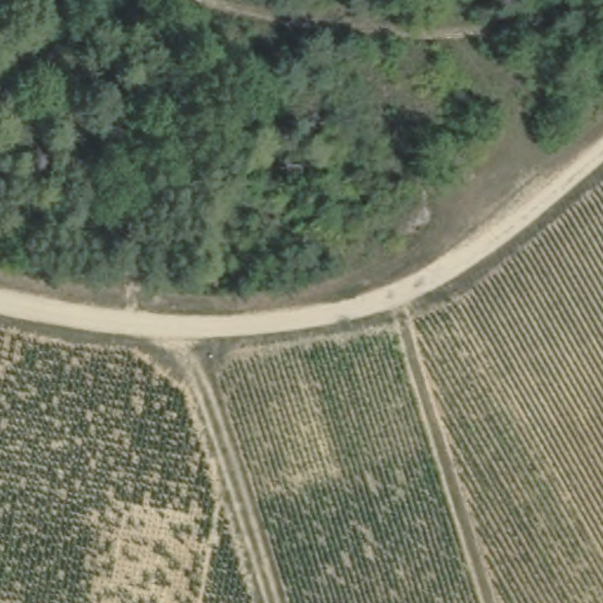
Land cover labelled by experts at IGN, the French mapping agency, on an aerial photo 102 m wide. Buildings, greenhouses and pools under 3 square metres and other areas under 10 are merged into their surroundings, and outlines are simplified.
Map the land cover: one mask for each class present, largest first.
<instances>
[{"label":"vineyard","instance_id":"1","mask_svg":"<svg viewBox=\"0 0 603 603\"><path fill-rule=\"evenodd\" d=\"M207 372L221 417L226 422L228 438L238 455L250 502L257 509L280 603H603V163L591 174H587L575 188H570L558 203L542 212L530 226H525L509 243L497 247L492 254H488L457 278L443 283L440 287L407 304H400L398 309L360 318H344L330 325L302 330L207 337L198 339V344L191 346ZM212 483L207 478L205 452L198 443V436L193 433L184 393L163 377H155L151 365L137 360L130 351L75 349L68 339L61 337L26 332L16 327H0V603H250V594L238 572L236 551L231 546L228 523L212 521Z\"/></svg>","mask_w":603,"mask_h":603},{"label":"coniferous trees","instance_id":"2","mask_svg":"<svg viewBox=\"0 0 603 603\"><path fill-rule=\"evenodd\" d=\"M191 0H0V269L38 278L49 290H54L59 283H82L87 287L137 283L139 247L127 240L130 219L122 217L118 226H104L87 219L90 203L94 196L90 177L99 172V167L113 165L115 144L122 146L127 153H137L141 148H163L155 134H148L144 130H130L132 120H144L146 104L153 97L172 101L181 115H198L212 108H224L221 97L226 90V73L217 66L219 59H224V49L219 45L205 49L203 26H184L188 16L186 5ZM42 64L57 68L64 75L68 106L66 113H49L45 118L31 120L28 127H24L12 111L2 108V101L9 94H19V80ZM356 57V42L349 40L334 45L330 31L316 35L313 40H309L302 59L294 61L292 73L280 78L283 101L278 115L273 120L245 122V146L228 165L212 167V174L205 177L214 203L203 212L207 231L196 254L212 252L207 271L196 269V278H184L181 283L172 285L167 280V266L163 264L155 266L148 280L141 285L151 297L172 294L174 290H188L191 294L236 297H250L259 292L294 294L311 283L339 276L344 271L342 257L349 254L351 245H356V238L363 236L367 243L377 245L393 243L400 226H405L417 214L419 193L424 186L422 177L426 174V170L422 158L400 165V160L391 151L389 134L384 130V104L377 101V90L365 78H358L353 68L351 59ZM290 177L313 179V184L323 186L327 205L344 207L339 236L325 240L297 233L294 219L285 207L290 198L261 196L269 179L285 184Z\"/></svg>","mask_w":603,"mask_h":603},{"label":"herbaceous vegetation","instance_id":"3","mask_svg":"<svg viewBox=\"0 0 603 603\"><path fill-rule=\"evenodd\" d=\"M188 16L184 26H203L205 49L219 45L217 35H228V40L240 47L252 45L254 57H259L266 64V68L276 78H280L292 73L294 61L302 59L309 40H313L316 35L330 31L334 45L349 40L351 28H358L363 33L386 31L396 38H403L410 47L405 61L391 57L389 61L377 59V64L372 66L353 68L358 78H365L377 90V101L384 104V130L389 134L391 151L400 160V165L422 158V148L445 132L448 120L466 115L483 120L497 106L509 108L513 115L499 141H464L457 148V179L452 184L438 186L436 191L431 186H424L419 193L417 214L405 226H400L393 243L377 245L367 243L363 236L356 238V245H351L349 254L342 257L344 271L339 276L311 283L294 294L259 292L250 297H236L191 294L188 290H174L172 294L151 297L141 285L137 283L87 287L82 283H59L54 290H49L38 278L0 269V290L52 297L71 304L134 309L167 316H243L353 299L358 294L396 283L436 261L445 252L455 250L466 238L478 233L483 226L502 217L504 210H509L516 203V198L530 191V186H535L539 179L554 177V172L570 165L584 148H589L594 141L603 137V111L598 113L591 106L579 139L565 146L561 153H546L542 146L530 141L521 120L525 111L535 106V68L525 73H513L506 71L504 64H497L495 59L478 54L469 45V35H478L481 28L476 24H466L459 9L448 21V26L433 33L431 28L391 24L382 19L372 7L365 16H351L339 0H191L186 5ZM0 327H16L26 332L61 337L68 339L75 349L130 351L137 360L151 365L155 377H163L184 393L193 433L198 436V443L205 452L207 478L212 483V521L228 523L231 546L236 551L238 572L250 594V603H280L257 509L250 502L238 455L228 438L226 422L221 417L207 372L191 346L172 353L153 344L148 337L78 330L0 313Z\"/></svg>","mask_w":603,"mask_h":603},{"label":"deciduous trees","instance_id":"4","mask_svg":"<svg viewBox=\"0 0 603 603\"><path fill-rule=\"evenodd\" d=\"M351 16H365L372 7L382 19L391 24L431 28L433 33L448 26V21L459 9L466 24H476L481 28L478 35H469V45L478 54L495 59L497 64H504L506 71L513 73H525L535 68V106L525 111L521 120L530 141L542 146L546 153H561L565 146L579 139L591 106L598 113L603 111V0H339ZM349 40L356 42V57L351 59L353 68L372 66L377 64V59L389 61L391 57L405 61L410 47L403 38H396L386 31L363 33L358 28H351ZM219 45L224 49V59H219L217 66L226 73V90L221 97L224 108H212L198 115H181L172 101L153 97L146 104L144 120H132L130 130H144L148 134H155L163 148H141L137 153H127L122 146L115 144L113 165L99 167V172L90 177L94 196L90 203L87 219L104 226H118L122 217L130 219L127 240L139 247L137 283L141 285L148 280L155 266L163 264L167 266V280L172 285L181 283L184 278H196V269L207 271L212 252L196 254L207 231L203 212L214 203L205 177L212 174V167L228 165L245 146V122L273 120L278 115L283 101L280 78H276L266 68V64L259 57H254L252 45L240 47L228 40V35H217ZM68 106L64 75L57 68L42 64L19 80V94H9L2 101V108L12 111L24 127H28L31 120L45 118L49 113H66ZM513 115L509 108L497 106L483 120L466 115L448 120L445 132L422 148V158L426 170V174L422 177L424 186H431L436 191L438 186L452 184L457 179V148L464 141H499ZM261 196L290 198L285 207L294 219L297 233L325 240L339 236L344 207L327 205L323 186L313 184V179L290 177L285 184L269 179Z\"/></svg>","mask_w":603,"mask_h":603},{"label":"pervious surface","instance_id":"5","mask_svg":"<svg viewBox=\"0 0 603 603\"><path fill-rule=\"evenodd\" d=\"M603 163V137L594 141L589 148H584L570 165L554 172V177L539 179L535 186H530V191L516 198V203L509 210H504L502 217L483 226L478 233L466 238L455 250L445 252L436 261L396 283L358 294L353 299L243 316H167L134 309L71 304L52 297L0 290V313L78 330L148 337L153 344L172 353L191 346L198 344V339L207 337L302 330L330 325L344 318H360L398 309L400 304H407L440 287L443 283L457 278L488 254H492L497 247L509 243L525 226H530L542 212L558 203L570 188H575L587 174H591Z\"/></svg>","mask_w":603,"mask_h":603}]
</instances>
